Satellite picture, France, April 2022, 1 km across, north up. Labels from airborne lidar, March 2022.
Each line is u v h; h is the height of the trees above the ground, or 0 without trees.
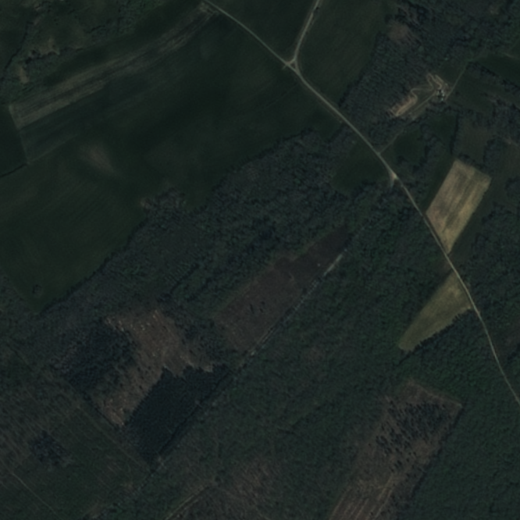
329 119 0
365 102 25
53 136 0
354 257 23
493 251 23
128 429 16
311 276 0
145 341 0
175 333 0
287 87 0
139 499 22
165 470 22
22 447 25
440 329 0
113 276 21
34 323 25
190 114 0
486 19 9
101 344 21
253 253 24
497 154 20
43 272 0
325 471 27
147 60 0
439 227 0
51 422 22
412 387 0
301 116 0
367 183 0
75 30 0
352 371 25
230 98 0
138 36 0
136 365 22
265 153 0
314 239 9
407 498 0
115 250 0
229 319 0
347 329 23
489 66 0
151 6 21
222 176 0
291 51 0
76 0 0
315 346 21
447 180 0
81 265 0
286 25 0
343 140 20
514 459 25
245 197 31
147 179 0
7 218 0
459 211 0
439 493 26
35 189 0
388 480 0
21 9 0
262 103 0
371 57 0
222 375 18
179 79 0
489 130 18
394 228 18
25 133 0
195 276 22
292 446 25
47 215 0
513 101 0
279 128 0
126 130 0
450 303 0
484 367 24
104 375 20
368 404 25
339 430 24
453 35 24
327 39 0
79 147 0
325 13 0
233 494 22
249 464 27
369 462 0
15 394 23
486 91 0
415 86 25
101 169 0
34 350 25
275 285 0
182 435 16
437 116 12
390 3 0
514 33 22
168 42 0
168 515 19
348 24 0
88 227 0
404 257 26
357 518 0
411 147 0
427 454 0
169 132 0
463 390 20
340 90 0
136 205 0
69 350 19
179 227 26
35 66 22
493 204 0
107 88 0
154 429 14
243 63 0
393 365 23
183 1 0
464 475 25
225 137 0
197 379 16
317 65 0
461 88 0
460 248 0
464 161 18
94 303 18
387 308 23
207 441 26
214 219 25
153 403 14
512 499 26
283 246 28
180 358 0
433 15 31
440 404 0
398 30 0
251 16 0
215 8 0
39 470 12
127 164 0
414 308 23
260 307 0
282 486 29
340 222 21
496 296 21
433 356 25
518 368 20
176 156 0
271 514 23
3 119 0
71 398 22
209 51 0
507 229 23
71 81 0
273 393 26
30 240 0
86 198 0
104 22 0
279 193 19
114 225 0
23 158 0
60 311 24
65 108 0
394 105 23
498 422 25
